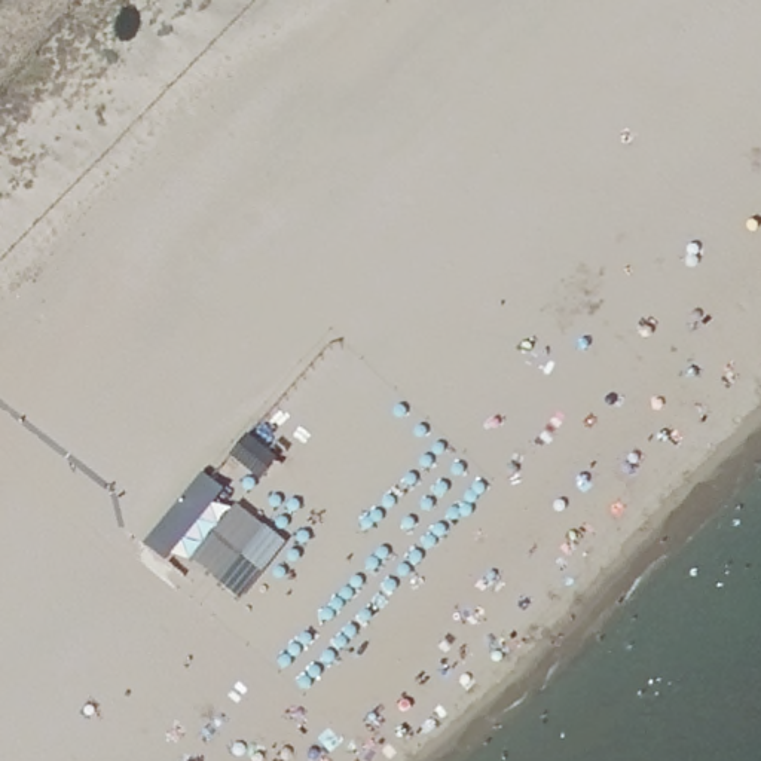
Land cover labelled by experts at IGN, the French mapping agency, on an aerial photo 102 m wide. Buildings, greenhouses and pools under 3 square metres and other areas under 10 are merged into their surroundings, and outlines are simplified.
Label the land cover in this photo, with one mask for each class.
<instances>
[{"label":"bare soil","instance_id":"1","mask_svg":"<svg viewBox=\"0 0 761 761\"><path fill-rule=\"evenodd\" d=\"M140 30L134 39H125L119 62H107L95 54V48H89V39H80L77 59L68 62L65 89L56 98H42L39 104H33L30 119L21 122L18 134H12L6 146H0V761H428L443 737L461 731L467 719L479 713L482 705H490L502 693L505 684L523 678L541 651L565 645V639L583 624V615L600 598L595 589L600 586V574H609L621 562H627L648 538H654L663 517L687 499V493L699 482L713 476L719 461L734 455L743 440H749L761 428V0H140Z\"/></svg>","mask_w":761,"mask_h":761},{"label":"water","instance_id":"2","mask_svg":"<svg viewBox=\"0 0 761 761\"><path fill-rule=\"evenodd\" d=\"M600 598L583 615V624L565 639V645L541 651L523 678L505 684L502 693L490 705H482L479 713L467 719L461 731L443 737L428 761H761V428L749 440H743L734 455L719 461L713 476L699 482L687 493V499L663 517L654 538H648L627 562H621L609 574H600V586L595 589Z\"/></svg>","mask_w":761,"mask_h":761},{"label":"herbaceous vegetation","instance_id":"3","mask_svg":"<svg viewBox=\"0 0 761 761\"><path fill-rule=\"evenodd\" d=\"M116 0H0V146H6L12 134H18L21 122L30 119L33 104H39L42 98H56L65 89L68 62L77 59L80 39H89V48H95V54L107 62H119L125 39L116 36Z\"/></svg>","mask_w":761,"mask_h":761},{"label":"brushwood","instance_id":"4","mask_svg":"<svg viewBox=\"0 0 761 761\"><path fill-rule=\"evenodd\" d=\"M116 36L125 39H134L140 30V0H116Z\"/></svg>","mask_w":761,"mask_h":761}]
</instances>
